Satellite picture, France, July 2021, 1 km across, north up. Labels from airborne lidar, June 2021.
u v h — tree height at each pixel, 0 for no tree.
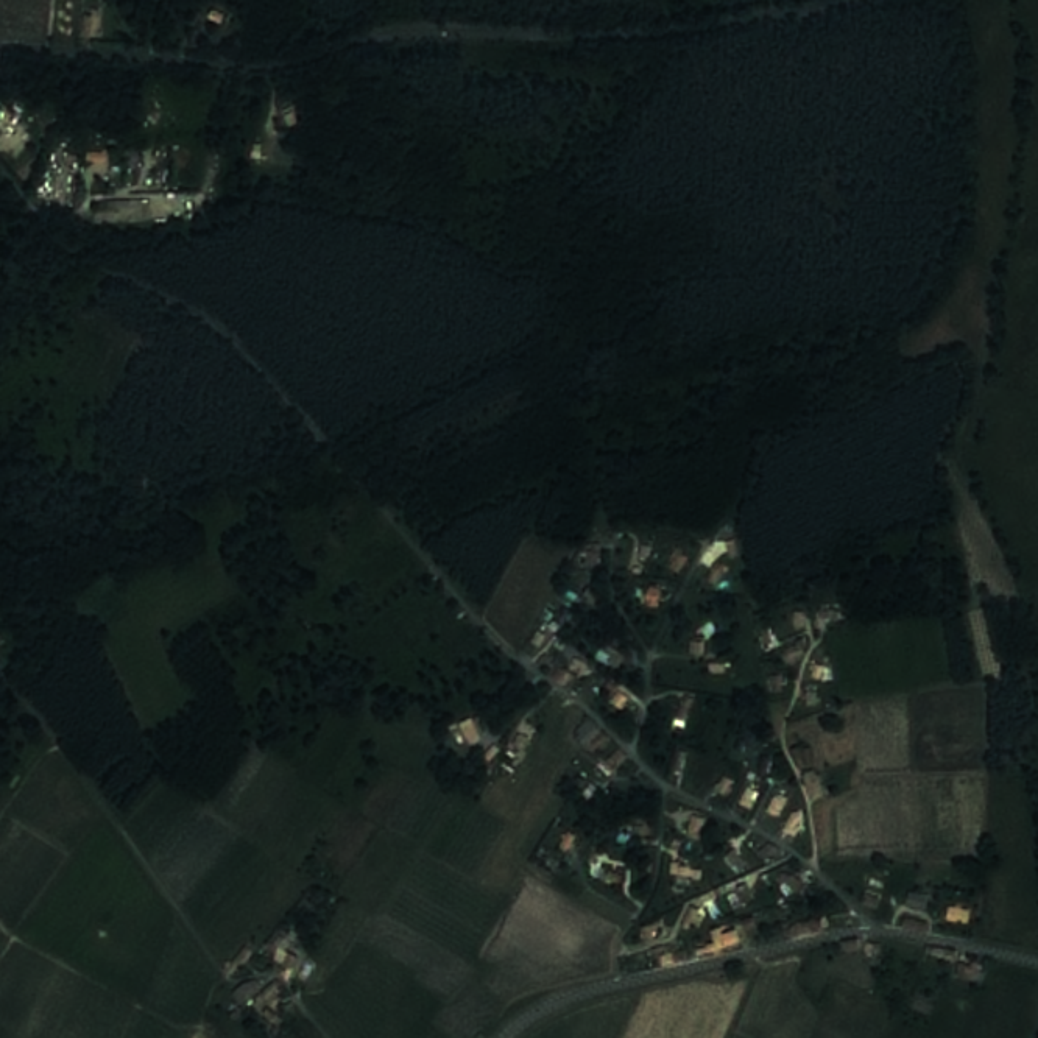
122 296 22
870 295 18
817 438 12
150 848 0
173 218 13
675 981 0
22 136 0
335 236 19
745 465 11
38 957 0
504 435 11
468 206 7
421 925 0
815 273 18
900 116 16
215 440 18
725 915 5
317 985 0
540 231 11
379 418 10
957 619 11
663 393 7
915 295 20
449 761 18
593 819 11
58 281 22
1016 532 0
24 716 8
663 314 18
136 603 0
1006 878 0
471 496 15
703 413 22
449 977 0
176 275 17
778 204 21
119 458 21
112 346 0
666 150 21
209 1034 0
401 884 0
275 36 11
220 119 9
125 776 17
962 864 15
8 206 15
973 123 12
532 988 0
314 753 0
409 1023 0
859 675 0
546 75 10
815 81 20
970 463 0
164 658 0
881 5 18
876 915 0
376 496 21
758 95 20
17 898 0
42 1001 0
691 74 21
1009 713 16
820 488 13
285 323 17
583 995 0
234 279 19
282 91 17
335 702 19
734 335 18
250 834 0
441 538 12
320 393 17
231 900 0
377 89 22
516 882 0
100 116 20
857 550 7
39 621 22
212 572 0
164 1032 0
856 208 18
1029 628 25
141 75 12
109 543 25
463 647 0
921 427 12
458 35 8
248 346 16
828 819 0
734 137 18
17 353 14
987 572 0
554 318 16
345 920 0
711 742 0
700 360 10
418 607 0
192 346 19
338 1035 0
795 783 7
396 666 0
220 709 27
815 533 10
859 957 0
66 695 20
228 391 16
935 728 0
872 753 0
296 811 0
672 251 13
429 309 16
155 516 23
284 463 14
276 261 17
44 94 11
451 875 0
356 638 0
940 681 0
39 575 24
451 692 17
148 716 0
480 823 0
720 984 0
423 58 30
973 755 0
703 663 7
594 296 15
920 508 13
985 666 0
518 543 9
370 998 0
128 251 17
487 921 0
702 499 16
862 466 12
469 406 17
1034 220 0
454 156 10
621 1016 0
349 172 15
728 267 17
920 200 18
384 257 18
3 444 13
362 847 0
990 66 0
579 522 9
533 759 0
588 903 0
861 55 20
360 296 17
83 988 0
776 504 12
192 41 13
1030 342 0
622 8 10
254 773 0
